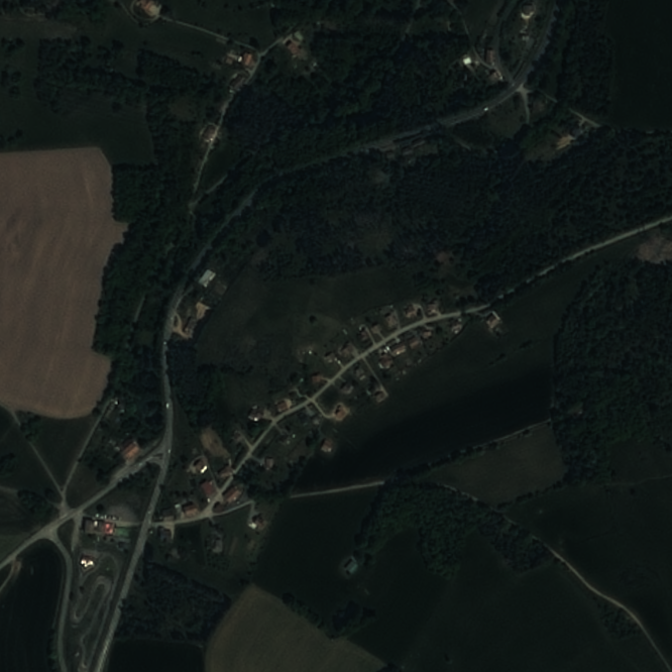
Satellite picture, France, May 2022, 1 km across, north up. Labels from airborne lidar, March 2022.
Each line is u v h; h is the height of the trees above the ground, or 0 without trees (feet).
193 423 29
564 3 57
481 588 0
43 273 0
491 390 0
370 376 0
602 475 46
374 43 26
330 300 0
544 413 0
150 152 0
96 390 0
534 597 0
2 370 0
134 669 0
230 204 22
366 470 0
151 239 70
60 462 0
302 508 0
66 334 0
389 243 0
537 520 0
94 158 0
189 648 0
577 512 0
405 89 81
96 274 0
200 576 0
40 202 0
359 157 24
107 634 0
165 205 73
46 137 0
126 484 38
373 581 0
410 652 0
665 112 0
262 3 26
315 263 63
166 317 49
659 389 24
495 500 0
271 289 0
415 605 0
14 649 0
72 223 0
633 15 0
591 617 0
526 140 52
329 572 0
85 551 0
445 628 0
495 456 0
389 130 91
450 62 0
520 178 62
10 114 0
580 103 46
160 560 0
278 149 91
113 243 0
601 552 0
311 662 0
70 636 0
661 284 67
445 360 0
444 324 0
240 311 0
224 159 0
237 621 0
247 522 0
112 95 48
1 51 0
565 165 45
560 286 0
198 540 0
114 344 23
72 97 0
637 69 0
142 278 61
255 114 91
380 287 0
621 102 0
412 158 0
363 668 0
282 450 0
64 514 0
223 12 0
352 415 0
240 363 0
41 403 0
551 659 0
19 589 0
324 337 0
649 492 0
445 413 0
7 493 0
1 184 0
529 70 0
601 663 0
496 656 0
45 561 0
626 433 55
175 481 0
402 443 0
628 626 19
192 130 31
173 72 50
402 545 0
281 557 0
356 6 101
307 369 28
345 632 83
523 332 0
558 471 0
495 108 0
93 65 0
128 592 0
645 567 0
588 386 53
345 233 72
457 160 78
